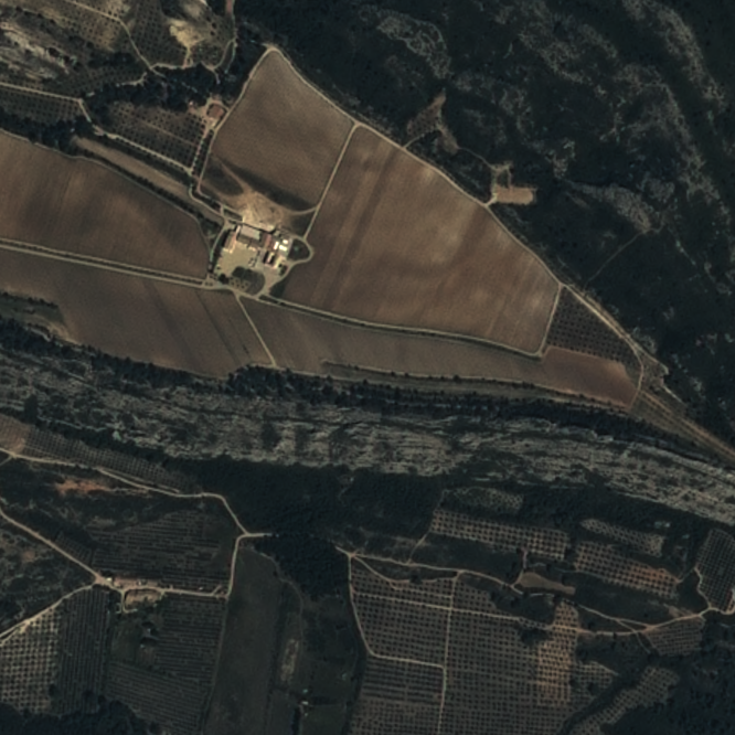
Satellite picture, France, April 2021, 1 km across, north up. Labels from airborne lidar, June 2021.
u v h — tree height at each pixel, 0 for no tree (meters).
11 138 0
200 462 8
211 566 0
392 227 0
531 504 6
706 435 0
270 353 0
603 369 0
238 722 0
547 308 0
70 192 0
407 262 0
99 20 0
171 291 0
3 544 0
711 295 0
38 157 0
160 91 12
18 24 0
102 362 11
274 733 0
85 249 0
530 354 0
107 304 0
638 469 0
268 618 0
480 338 0
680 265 0
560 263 0
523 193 0
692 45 0
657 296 0
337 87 0
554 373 0
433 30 0
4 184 0
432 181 0
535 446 0
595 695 9
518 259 0
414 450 0
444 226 0
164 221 0
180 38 0
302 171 0
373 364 0
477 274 0
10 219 0
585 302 0
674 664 6
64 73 0
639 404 0
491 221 0
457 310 0
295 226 0
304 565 11
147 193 0
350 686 0
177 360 0
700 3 0
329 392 13
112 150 0
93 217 0
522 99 0
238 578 0
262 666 0
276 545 10
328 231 0
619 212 0
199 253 0
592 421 9
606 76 0
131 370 12
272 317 0
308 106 0
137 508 0
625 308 0
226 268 0
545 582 0
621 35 0
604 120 0
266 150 0
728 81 0
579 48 0
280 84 0
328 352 0
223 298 0
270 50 0
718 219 0
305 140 0
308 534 11
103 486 0
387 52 0
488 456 0
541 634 12
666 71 0
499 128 0
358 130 0
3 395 0
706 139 0
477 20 0
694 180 0
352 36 0
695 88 0
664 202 0
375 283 0
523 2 0
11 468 0
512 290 0
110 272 0
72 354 11
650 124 0
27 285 0
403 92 0
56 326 0
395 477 6
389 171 0
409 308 0
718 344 0
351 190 0
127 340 0
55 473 0
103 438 7
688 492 0
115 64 8
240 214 0
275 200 0
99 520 0
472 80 0
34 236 0
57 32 0
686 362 0
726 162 0
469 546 0
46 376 0
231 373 0
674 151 0
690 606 0
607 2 0
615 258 0
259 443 0
